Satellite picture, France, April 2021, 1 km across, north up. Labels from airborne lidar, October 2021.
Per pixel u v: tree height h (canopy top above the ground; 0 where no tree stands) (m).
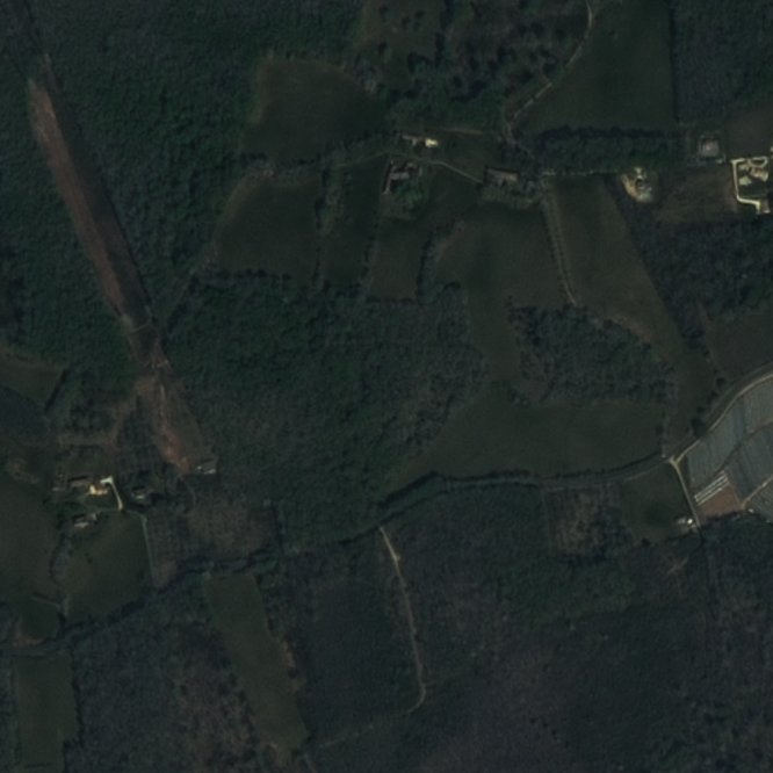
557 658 11
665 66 0
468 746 12
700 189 0
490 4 6
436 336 21
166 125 25
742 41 19
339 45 16
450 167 0
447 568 15
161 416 0
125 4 17
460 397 12
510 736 11
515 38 7
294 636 7
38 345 21
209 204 24
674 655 8
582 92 0
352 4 15
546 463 0
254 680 0
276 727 0
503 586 19
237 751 20
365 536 9
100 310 26
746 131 0
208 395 16
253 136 0
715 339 0
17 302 22
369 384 23
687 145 14
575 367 19
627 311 0
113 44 22
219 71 26
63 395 17
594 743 6
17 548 0
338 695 20
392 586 10
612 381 21
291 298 18
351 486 24
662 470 0
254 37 18
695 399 0
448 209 0
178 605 20
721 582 12
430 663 12
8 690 24
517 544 18
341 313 26
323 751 15
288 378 24
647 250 11
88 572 0
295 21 18
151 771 19
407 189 22
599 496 14
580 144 23
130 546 0
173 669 20
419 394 17
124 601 0
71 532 15
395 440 18
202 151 29
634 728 7
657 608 6
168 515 17
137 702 18
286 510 26
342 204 9
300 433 20
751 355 0
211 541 9
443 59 15
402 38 0
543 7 6
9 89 16
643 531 0
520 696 10
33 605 0
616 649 11
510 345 0
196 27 17
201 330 29
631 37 0
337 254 0
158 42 22
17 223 20
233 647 0
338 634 19
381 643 13
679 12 25
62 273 25
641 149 23
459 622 15
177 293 20
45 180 18
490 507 16
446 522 15
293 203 0
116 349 23
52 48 17
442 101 21
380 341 24
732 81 22
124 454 17
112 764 16
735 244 25
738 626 9
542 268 0
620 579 22
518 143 21
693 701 11
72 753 13
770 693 8
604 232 0
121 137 23
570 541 12
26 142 19
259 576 12
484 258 0
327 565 21
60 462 12
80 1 15
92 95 22
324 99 0
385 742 17
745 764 10
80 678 15
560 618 12
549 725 9
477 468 0
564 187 0
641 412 0
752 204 0
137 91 21
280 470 19
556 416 0
